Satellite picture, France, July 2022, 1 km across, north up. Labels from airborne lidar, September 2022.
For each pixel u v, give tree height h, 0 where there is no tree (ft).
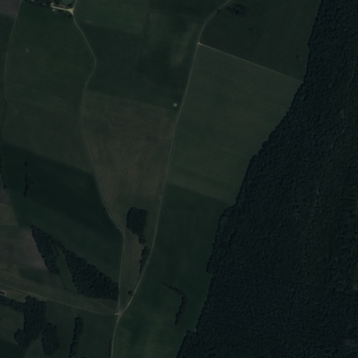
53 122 0
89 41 0
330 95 51
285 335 44
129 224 41
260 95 0
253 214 56
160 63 0
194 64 0
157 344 0
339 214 62
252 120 0
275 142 73
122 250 0
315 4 0
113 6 0
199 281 0
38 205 0
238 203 44
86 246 0
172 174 0
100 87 0
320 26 60
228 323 56
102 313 0
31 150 0
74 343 39
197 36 0
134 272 0
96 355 0
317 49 68
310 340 73
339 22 74
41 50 0
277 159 72
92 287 52
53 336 60
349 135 55
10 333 0
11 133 0
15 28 0
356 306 74
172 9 0
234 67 0
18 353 0
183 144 0
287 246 50
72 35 0
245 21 0
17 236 0
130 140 0
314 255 51
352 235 35
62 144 0
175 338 0
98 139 0
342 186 55
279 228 52
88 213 0
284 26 0
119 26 0
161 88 0
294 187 60
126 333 0
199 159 0
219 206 0
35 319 64
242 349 75
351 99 36
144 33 0
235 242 67
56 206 0
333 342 69
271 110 0
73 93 0
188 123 0
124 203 0
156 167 0
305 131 68
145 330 0
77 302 0
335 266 57
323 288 56
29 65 0
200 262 0
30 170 0
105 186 0
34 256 0
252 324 55
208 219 0
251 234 62
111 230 0
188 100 0
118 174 0
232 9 29
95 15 0
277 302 63
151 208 0
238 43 0
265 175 59
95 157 0
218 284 64
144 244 52
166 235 0
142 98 0
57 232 0
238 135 0
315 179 51
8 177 0
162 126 0
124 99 0
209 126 0
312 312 49
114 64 0
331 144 44
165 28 0
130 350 0
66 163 0
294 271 53
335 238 81
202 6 0
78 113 0
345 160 57
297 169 56
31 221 0
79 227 0
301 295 51
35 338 65
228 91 0
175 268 0
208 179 0
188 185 0
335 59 59
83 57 0
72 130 0
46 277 0
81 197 0
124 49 0
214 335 64
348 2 52
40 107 0
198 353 77
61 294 0
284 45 0
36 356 0
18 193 0
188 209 0
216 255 65
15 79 0
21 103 0
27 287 0
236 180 0
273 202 62
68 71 0
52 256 91
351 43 69
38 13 0
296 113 70
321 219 44
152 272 0
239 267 63
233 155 0
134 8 0
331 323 83
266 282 59
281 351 61
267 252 58
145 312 0
